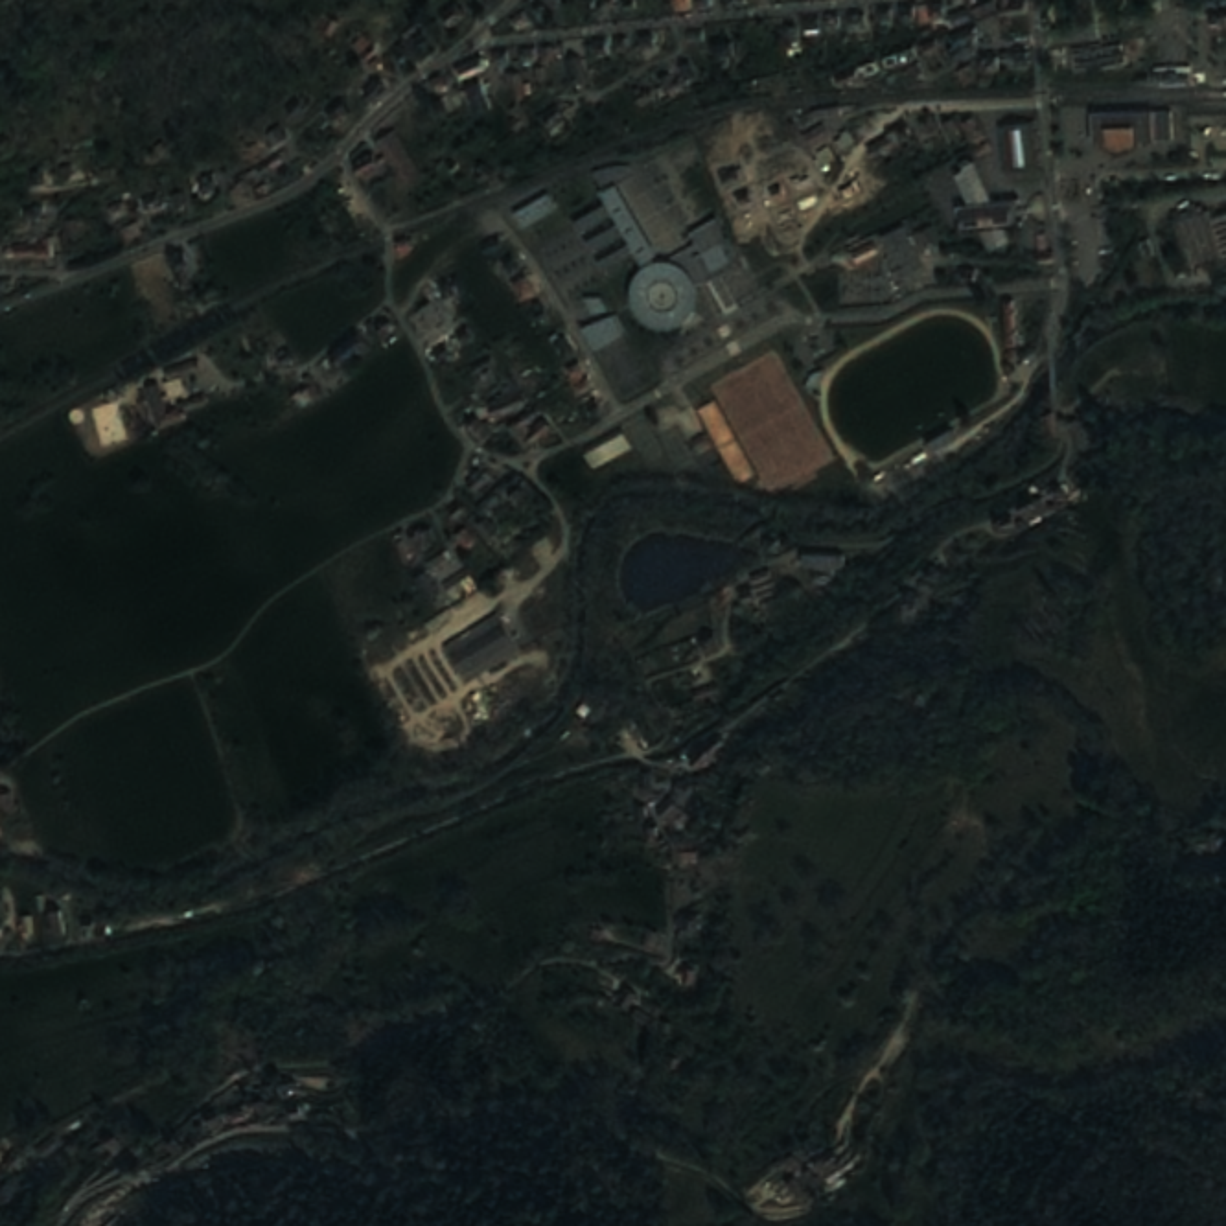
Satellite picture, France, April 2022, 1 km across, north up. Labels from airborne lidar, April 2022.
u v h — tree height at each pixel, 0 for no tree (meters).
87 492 0
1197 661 25
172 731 0
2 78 23
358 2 7
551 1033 0
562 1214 15
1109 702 0
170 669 0
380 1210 20
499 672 0
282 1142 0
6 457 0
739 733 6
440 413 0
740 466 0
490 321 0
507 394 0
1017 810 0
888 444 0
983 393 0
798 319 0
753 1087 17
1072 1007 13
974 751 23
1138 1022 14
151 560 0
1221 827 6
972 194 0
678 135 7
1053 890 18
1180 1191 19
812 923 0
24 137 12
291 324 0
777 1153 6
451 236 0
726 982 7
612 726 11
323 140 7
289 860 14
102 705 0
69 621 0
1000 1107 20
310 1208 24
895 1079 0
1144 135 0
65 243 6
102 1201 0
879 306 0
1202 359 0
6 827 0
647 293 0
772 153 0
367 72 0
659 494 13
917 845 0
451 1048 18
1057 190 0
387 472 0
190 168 15
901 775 16
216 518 0
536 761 0
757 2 0
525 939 0
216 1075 21
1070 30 19
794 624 14
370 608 0
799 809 0
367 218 0
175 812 0
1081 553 0
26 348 0
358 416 0
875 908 0
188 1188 9
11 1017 0
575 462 0
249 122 13
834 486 0
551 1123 22
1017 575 0
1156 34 0
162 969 23
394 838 0
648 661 0
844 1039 0
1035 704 19
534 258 0
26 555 0
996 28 0
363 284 8
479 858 0
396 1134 18
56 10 13
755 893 0
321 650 0
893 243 0
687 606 0
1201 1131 22
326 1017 15
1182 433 31
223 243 0
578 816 0
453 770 21
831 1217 0
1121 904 17
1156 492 22
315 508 0
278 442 0
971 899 15
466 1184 27
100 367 0
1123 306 13
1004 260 7
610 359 0
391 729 10
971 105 0
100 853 0
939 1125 24
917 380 0
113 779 0
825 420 0
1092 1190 22
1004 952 0
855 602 20
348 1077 11
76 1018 0
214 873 19
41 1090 0
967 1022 21
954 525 9
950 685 12
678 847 12
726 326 0
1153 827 24
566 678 12
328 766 0
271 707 0
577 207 0
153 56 25
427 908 0
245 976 27
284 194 0
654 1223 28
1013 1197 23
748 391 0
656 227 0
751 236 0
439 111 5
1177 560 26
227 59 18
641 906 0
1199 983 27
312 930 17
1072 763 0
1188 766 0
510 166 8
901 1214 22
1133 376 0
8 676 0
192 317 0
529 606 0
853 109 0
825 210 0
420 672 0
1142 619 0
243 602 0
